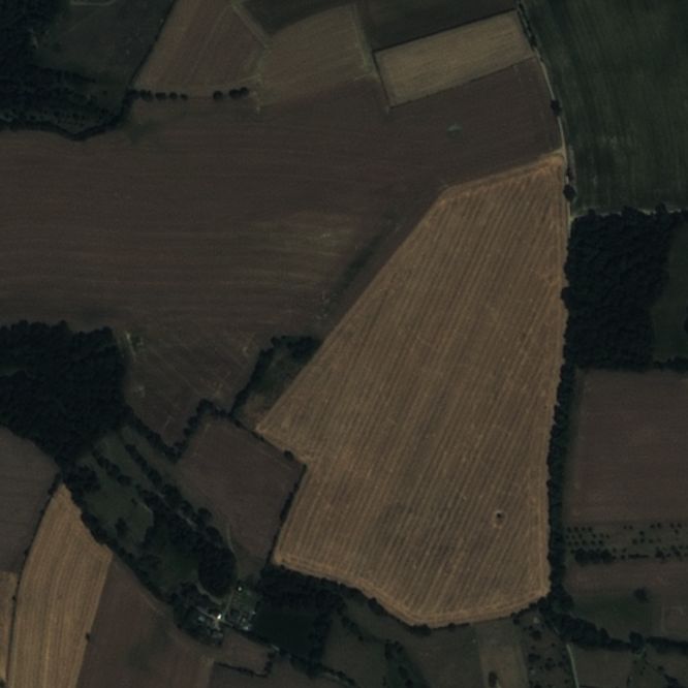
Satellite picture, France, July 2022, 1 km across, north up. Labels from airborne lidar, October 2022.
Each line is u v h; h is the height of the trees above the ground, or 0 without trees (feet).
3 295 0
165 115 0
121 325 0
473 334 0
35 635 0
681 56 0
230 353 0
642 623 0
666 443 0
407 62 0
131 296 0
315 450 0
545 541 0
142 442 0
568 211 0
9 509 0
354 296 0
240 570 0
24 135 0
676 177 0
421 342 0
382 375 0
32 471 0
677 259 0
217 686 0
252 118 0
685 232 0
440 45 0
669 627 0
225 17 0
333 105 0
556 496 51
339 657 0
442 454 0
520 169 0
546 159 0
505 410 0
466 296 0
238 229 0
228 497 0
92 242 0
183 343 0
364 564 0
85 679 0
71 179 0
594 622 0
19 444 0
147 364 0
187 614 21
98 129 23
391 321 0
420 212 0
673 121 0
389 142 0
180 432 0
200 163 0
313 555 0
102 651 0
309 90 0
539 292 0
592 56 0
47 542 0
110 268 0
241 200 0
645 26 0
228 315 0
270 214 0
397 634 0
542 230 0
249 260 0
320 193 0
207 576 56
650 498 0
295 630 0
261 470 0
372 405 0
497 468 0
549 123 0
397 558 0
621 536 0
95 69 0
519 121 0
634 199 0
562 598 68
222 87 0
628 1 0
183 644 0
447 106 0
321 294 0
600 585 0
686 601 0
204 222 0
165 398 0
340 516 0
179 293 0
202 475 0
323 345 0
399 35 0
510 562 0
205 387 0
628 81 0
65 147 0
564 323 0
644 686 0
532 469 0
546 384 0
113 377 51
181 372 0
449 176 0
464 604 0
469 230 0
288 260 0
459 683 0
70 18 0
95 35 0
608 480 0
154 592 38
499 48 0
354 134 0
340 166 0
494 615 0
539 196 0
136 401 0
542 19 0
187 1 0
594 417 0
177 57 0
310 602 66
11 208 0
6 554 0
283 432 0
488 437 0
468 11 0
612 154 0
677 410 0
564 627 73
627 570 0
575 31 0
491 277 0
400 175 0
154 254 0
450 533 0
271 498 0
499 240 0
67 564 0
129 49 0
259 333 0
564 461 61
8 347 76
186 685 0
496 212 0
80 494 54
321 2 0
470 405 0
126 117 24
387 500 0
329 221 0
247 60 0
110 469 42
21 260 0
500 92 0
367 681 0
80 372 64
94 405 55
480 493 0
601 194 0
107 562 0
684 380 0
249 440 0
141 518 0
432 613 0
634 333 71
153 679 0
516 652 0
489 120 0
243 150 0
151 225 0
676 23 0
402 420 0
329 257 0
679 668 0
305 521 0
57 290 0
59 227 0
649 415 0
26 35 64
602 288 75
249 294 0
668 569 0
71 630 0
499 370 0
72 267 0
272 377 0
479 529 0
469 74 0
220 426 0
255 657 0
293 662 39
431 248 0
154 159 0
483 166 0
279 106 0
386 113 0
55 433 62
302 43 0
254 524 0
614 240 72
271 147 0
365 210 0
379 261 0
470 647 0
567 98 0
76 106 49
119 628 0
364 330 0
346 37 0
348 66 0
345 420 0
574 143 0
